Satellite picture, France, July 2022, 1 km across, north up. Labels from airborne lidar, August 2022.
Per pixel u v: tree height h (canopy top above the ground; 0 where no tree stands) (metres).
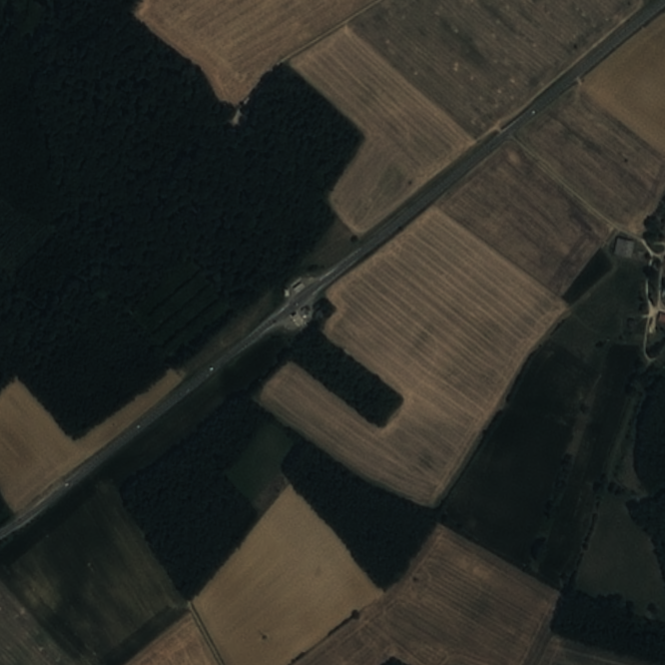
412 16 0
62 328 25
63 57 20
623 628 12
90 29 20
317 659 0
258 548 0
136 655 0
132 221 25
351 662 0
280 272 20
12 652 0
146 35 26
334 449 0
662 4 0
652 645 20
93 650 0
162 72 25
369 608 0
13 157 15
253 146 20
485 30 0
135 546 0
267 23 0
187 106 25
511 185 0
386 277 0
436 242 0
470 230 0
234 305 22
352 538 21
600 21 0
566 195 0
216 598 0
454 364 0
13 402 0
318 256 0
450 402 0
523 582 0
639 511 21
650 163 0
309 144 22
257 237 28
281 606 0
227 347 0
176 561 22
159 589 0
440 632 0
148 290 22
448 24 0
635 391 15
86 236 25
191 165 25
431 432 0
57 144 25
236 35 0
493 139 0
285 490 0
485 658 0
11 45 17
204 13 0
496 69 0
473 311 0
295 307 0
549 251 0
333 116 15
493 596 0
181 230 25
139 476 11
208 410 0
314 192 22
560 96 0
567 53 0
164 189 28
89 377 13
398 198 0
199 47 0
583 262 0
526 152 0
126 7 22
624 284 0
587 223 0
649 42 0
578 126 0
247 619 0
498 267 0
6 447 0
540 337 0
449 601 0
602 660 0
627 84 0
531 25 0
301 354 8
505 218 0
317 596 0
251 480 0
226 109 19
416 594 0
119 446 0
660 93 0
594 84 0
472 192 0
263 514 0
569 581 9
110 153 24
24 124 15
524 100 0
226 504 25
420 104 0
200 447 23
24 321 22
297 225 26
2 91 14
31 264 9
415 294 0
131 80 26
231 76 0
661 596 0
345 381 14
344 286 0
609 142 0
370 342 0
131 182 27
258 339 0
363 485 19
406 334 0
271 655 0
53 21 24
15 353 22
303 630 0
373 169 0
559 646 0
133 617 0
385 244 0
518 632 0
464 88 0
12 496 0
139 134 25
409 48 0
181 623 0
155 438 0
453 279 0
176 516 24
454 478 0
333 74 0
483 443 6
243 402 23
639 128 0
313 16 0
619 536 0
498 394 0
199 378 0
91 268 22
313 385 0
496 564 0
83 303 22
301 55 0
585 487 0
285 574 0
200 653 0
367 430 0
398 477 0
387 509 22
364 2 0
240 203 29
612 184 0
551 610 0
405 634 0
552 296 0
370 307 0
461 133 0
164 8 0
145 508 25
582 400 0
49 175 13
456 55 0
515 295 0
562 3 0
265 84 15
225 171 28
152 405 0
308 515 0
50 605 0
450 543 0
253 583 0
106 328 16
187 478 22
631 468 0
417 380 0
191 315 0
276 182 23
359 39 0
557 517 15
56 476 0
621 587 0
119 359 17
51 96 25
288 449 0
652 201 0
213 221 25
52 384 15
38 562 0
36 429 0
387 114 0
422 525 22
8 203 8
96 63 27
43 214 13
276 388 0
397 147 0
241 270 24
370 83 0
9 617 0
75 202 20
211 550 24
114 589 0
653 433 25
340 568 0
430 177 0
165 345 8
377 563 22
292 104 21
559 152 0
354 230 0
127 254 25
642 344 0
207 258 25
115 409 15
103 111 23
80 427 18
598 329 0
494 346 0
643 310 9
